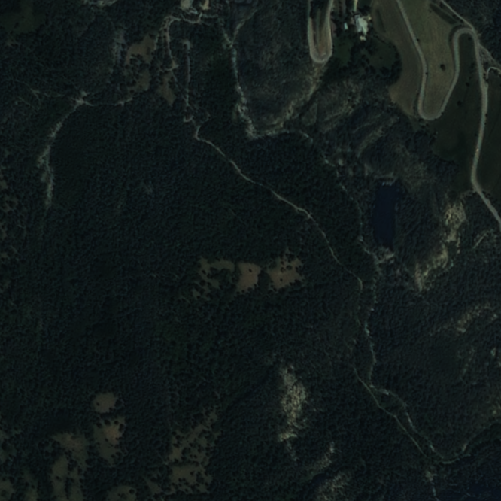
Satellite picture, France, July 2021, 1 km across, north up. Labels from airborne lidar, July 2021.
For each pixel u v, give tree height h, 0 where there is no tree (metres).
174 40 6
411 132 12
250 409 10
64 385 22
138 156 10
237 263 8
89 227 14
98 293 18
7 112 10
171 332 9
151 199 13
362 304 16
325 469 9
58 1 10
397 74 9
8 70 16
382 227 14
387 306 13
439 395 14
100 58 11
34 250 8
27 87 10
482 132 0
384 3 0
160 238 17
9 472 15
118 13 11
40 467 10
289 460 18
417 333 12
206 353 12
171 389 19
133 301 13
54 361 20
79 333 21
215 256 5
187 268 10
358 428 22
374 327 22
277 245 9
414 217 15
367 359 19
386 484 8
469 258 8
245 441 16
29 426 11
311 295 16
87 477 15
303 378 17
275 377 12
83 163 11
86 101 6
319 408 18
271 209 14
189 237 11
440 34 0
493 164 0
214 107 15
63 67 17
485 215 12
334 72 9
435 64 0
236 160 15
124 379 18
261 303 8
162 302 14
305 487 23
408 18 0
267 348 14
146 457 14
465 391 12
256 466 7
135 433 10
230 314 8
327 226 14
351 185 15
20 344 19
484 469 15
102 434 0
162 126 8
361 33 8
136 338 16
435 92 0
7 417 19
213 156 14
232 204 13
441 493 11
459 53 0
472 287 10
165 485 7
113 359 8
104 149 19
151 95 14
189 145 14
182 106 12
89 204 18
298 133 13
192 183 13
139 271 19
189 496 7
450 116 0
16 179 18
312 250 15
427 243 10
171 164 8
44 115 12
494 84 0
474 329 9
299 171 21
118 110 20
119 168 16
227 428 14
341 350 18
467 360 6
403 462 21
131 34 8
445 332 7
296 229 15
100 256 19
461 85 0
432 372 15
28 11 0
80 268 28
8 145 14
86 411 15
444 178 15
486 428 8
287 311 10
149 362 13
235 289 16
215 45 6
